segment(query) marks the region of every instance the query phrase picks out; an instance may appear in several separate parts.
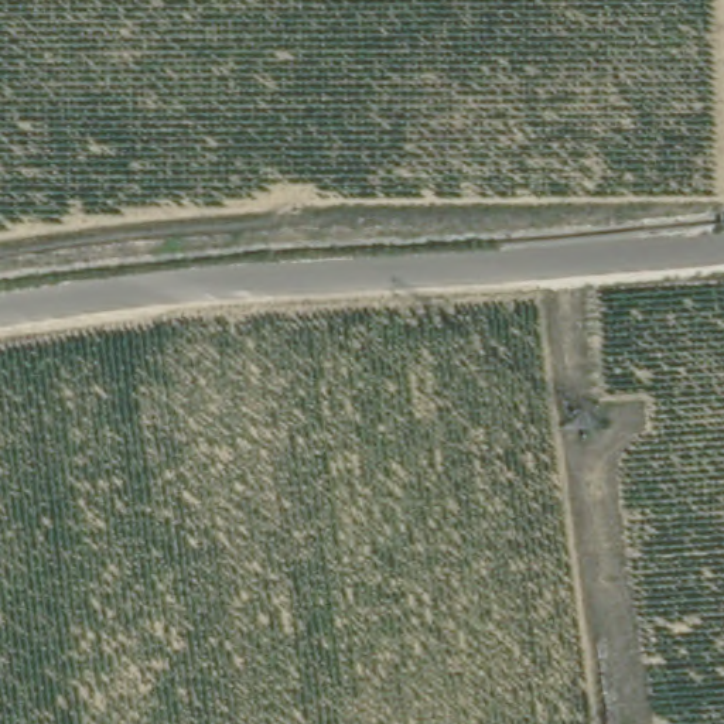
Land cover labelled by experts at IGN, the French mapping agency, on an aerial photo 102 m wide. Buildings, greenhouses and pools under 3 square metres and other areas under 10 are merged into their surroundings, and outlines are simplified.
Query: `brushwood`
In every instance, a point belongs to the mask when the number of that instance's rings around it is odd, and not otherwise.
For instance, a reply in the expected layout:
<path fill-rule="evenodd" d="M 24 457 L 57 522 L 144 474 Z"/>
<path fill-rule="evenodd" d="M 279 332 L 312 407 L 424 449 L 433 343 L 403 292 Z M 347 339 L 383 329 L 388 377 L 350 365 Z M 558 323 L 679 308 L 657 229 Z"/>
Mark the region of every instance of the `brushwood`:
<path fill-rule="evenodd" d="M 223 263 L 277 263 L 297 257 L 345 255 L 379 257 L 427 252 L 492 252 L 498 246 L 498 240 L 297 246 L 204 257 L 167 257 L 150 263 L 93 266 L 0 280 L 0 291 L 54 286 L 62 280 L 102 280 L 122 274 L 150 274 Z"/>

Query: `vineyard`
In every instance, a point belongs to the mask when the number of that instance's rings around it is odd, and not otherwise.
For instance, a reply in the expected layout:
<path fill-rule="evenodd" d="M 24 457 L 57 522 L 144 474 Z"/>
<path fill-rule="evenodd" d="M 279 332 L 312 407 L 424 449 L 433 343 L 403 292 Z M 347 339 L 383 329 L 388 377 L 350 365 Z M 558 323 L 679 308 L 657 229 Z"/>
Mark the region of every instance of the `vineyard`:
<path fill-rule="evenodd" d="M 300 206 L 724 204 L 724 0 L 0 0 L 0 243 L 96 226 L 124 226 L 178 218 L 223 218 L 269 209 L 291 212 Z"/>
<path fill-rule="evenodd" d="M 0 325 L 0 724 L 724 724 L 724 263 L 568 277 L 520 277 L 489 283 L 416 283 L 402 288 L 345 286 L 328 291 L 272 294 L 226 291 L 221 297 L 204 294 L 178 303 L 153 303 L 136 308 L 42 317 Z"/>

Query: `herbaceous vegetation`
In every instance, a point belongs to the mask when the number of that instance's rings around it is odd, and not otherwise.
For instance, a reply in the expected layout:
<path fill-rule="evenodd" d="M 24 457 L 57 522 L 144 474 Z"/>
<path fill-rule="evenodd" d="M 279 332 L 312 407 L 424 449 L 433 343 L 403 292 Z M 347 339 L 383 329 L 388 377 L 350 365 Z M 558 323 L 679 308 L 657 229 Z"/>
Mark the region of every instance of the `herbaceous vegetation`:
<path fill-rule="evenodd" d="M 498 246 L 546 243 L 563 238 L 608 238 L 628 232 L 662 232 L 662 238 L 699 238 L 710 235 L 713 229 L 724 232 L 724 204 L 300 206 L 291 212 L 269 209 L 223 218 L 178 218 L 124 226 L 96 226 L 0 243 L 0 280 L 93 266 L 150 263 L 167 257 L 204 257 L 297 246 L 498 240 Z"/>

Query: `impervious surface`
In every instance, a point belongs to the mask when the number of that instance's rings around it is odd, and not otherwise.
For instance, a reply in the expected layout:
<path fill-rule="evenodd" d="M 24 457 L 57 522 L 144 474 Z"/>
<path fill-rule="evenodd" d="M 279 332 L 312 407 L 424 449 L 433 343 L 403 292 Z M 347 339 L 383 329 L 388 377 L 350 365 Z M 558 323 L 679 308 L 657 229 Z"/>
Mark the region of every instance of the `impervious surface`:
<path fill-rule="evenodd" d="M 204 294 L 221 297 L 226 291 L 272 294 L 328 291 L 345 286 L 402 288 L 416 283 L 489 283 L 520 277 L 568 277 L 724 263 L 724 232 L 713 229 L 710 235 L 699 238 L 662 238 L 662 232 L 628 232 L 608 238 L 563 238 L 546 243 L 498 246 L 492 252 L 427 252 L 379 257 L 345 255 L 297 257 L 277 263 L 223 263 L 150 274 L 122 274 L 102 280 L 62 280 L 54 286 L 0 291 L 0 325 L 42 317 L 136 308 L 153 303 L 178 303 Z"/>

